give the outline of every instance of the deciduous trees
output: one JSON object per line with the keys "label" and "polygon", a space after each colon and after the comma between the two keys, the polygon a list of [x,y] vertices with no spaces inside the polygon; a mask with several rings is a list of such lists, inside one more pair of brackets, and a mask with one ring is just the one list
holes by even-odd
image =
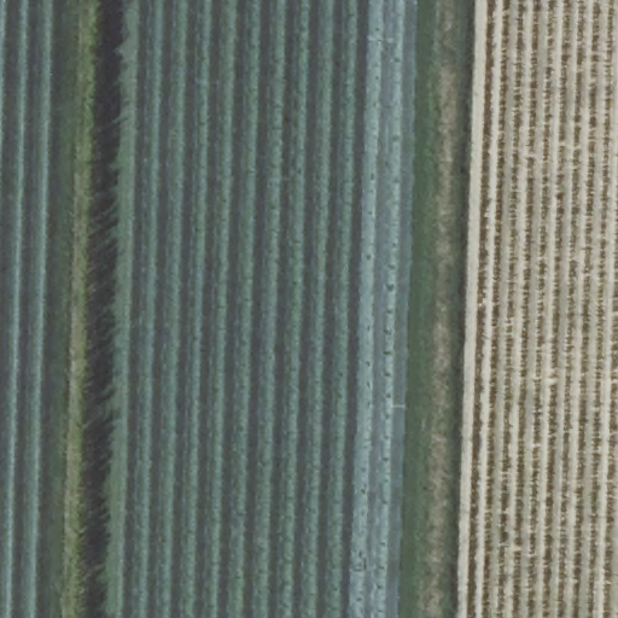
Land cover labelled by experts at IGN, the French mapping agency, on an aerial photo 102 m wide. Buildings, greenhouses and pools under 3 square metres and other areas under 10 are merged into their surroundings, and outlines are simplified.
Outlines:
{"label": "deciduous trees", "polygon": [[77,548],[82,534],[82,381],[87,367],[84,280],[94,123],[94,41],[99,0],[65,0],[60,140],[65,138],[68,142],[75,142],[77,157],[72,198],[75,234],[63,550],[63,575],[68,589],[60,594],[63,618],[77,618]]}

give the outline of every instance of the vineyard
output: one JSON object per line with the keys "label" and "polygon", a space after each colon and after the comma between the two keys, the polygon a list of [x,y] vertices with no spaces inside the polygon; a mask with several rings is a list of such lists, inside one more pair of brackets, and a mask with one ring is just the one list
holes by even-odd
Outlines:
{"label": "vineyard", "polygon": [[99,0],[94,41],[94,123],[84,280],[87,367],[82,381],[82,534],[77,548],[77,618],[618,618],[618,0]]}
{"label": "vineyard", "polygon": [[75,142],[68,142],[65,138],[60,140],[65,0],[0,0],[0,618],[63,618],[60,594],[68,589],[63,575],[63,550],[75,234],[72,198],[77,157]]}

